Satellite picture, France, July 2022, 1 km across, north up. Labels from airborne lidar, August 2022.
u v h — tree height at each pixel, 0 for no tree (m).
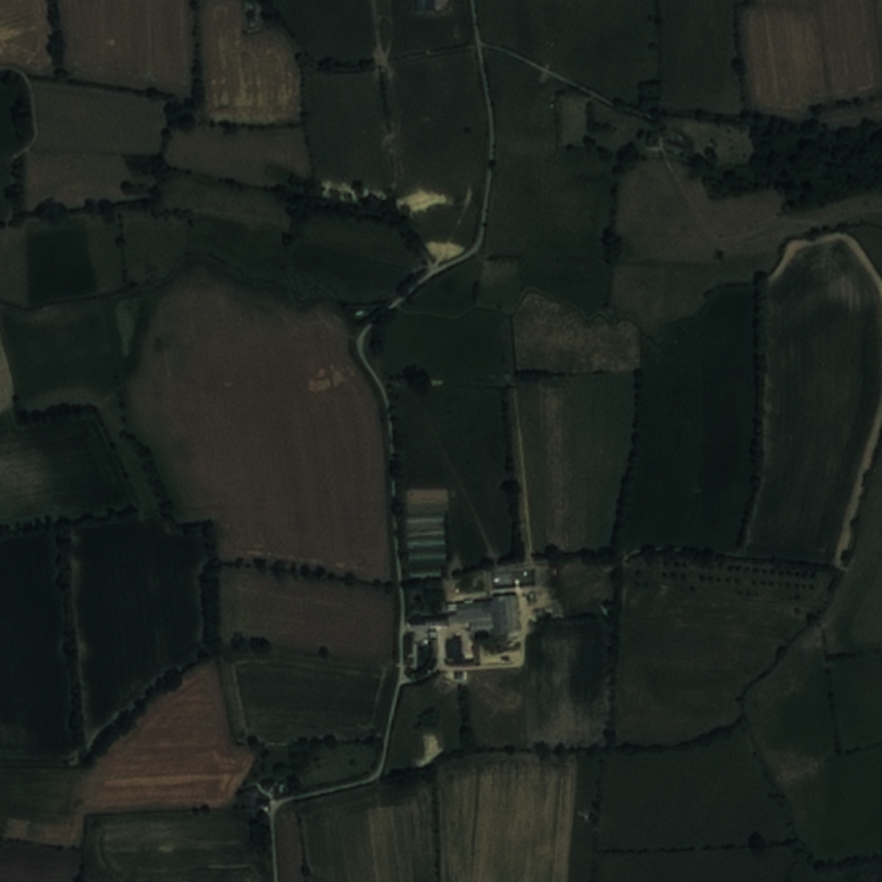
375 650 0
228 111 0
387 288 0
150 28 0
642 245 0
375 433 0
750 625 0
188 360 0
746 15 0
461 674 0
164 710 0
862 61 0
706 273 0
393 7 0
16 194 18
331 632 0
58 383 0
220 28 0
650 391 0
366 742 7
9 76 12
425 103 0
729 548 0
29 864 0
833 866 14
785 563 7
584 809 0
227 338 0
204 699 0
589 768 0
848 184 11
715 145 8
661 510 0
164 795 0
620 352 0
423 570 0
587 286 0
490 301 0
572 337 0
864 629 0
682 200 0
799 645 0
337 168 0
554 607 0
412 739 0
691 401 0
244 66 0
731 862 0
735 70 13
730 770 0
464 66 0
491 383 0
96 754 13
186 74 0
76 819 0
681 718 0
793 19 0
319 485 0
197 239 0
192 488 0
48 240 0
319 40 0
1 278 0
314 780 0
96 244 0
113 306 0
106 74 0
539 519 0
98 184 0
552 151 0
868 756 0
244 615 0
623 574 12
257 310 0
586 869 0
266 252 0
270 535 0
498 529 0
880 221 0
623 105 11
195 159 0
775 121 15
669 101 0
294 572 13
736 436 0
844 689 0
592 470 0
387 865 0
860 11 0
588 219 0
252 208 0
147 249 0
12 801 0
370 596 0
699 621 0
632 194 0
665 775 0
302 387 0
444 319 0
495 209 0
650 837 0
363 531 0
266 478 0
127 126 0
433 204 0
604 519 0
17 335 0
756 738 0
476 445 0
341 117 0
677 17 0
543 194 0
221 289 0
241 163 0
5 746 0
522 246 0
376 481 0
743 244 0
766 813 0
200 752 0
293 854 0
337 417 0
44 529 12
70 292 0
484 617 0
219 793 0
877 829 0
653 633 0
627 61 0
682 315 0
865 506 0
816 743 0
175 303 0
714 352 0
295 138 0
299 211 19
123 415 6
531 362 0
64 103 0
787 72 0
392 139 0
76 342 0
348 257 0
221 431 0
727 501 0
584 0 0
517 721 0
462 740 10
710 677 0
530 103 0
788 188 20
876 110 0
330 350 0
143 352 0
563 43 0
